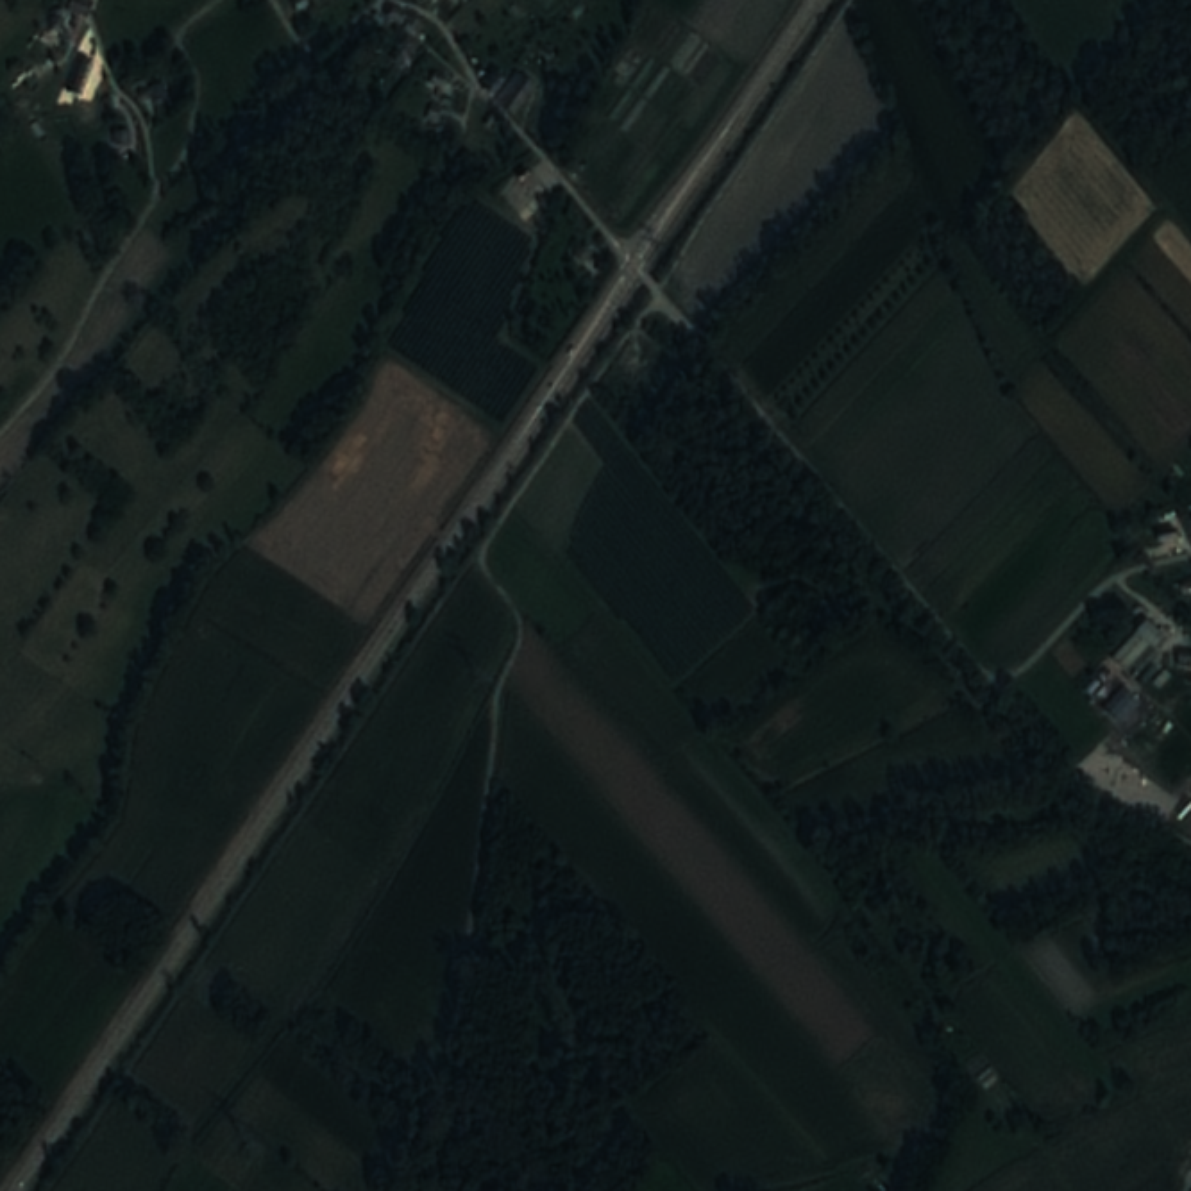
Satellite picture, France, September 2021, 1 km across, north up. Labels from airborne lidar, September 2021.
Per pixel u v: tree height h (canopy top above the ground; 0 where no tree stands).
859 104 0
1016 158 34
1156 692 0
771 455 24
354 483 0
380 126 18
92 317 0
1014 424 0
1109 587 0
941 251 6
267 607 0
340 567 0
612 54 19
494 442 0
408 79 6
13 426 0
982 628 0
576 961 27
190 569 13
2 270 0
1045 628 0
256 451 0
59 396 0
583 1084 10
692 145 0
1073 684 0
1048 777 20
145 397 13
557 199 7
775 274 21
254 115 13
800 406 7
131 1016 0
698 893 0
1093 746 0
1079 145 0
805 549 26
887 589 19
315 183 15
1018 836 14
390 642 0
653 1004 9
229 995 21
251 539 0
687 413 32
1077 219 0
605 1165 25
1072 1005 0
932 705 0
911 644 13
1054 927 19
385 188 0
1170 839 22
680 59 0
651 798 0
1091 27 0
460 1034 24
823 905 0
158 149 0
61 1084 0
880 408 0
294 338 23
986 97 11
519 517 0
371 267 0
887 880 8
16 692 0
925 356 0
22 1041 0
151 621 0
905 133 14
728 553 25
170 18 0
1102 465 0
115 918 26
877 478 0
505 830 15
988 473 0
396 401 0
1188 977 0
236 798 0
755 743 0
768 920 0
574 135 29
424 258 19
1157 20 24
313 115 21
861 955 10
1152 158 17
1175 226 0
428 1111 31
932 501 0
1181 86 20
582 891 10
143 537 0
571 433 0
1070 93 23
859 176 22
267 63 0
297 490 0
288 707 0
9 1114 26
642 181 0
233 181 28
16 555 0
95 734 0
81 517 0
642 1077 20
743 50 0
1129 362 0
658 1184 0
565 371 0
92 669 0
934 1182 18
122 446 0
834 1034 0
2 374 0
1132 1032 13
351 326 0
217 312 20
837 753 0
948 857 23
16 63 10
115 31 0
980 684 18
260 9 9
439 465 0
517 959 11
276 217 14
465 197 18
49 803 0
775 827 0
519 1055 24
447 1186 23
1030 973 0
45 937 0
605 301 0
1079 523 0
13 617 0
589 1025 26
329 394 10
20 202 0
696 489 20
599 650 0
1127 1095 15
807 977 0
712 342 22
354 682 0
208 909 0
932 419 0
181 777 0
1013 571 0
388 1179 17
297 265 16
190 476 0
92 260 16
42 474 0
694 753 0
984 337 8
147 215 0
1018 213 16
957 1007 11
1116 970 22
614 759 0
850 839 19
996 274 7
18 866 0
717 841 0
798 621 6
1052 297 26
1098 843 25
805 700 0
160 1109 16
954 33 10
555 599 0
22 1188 0
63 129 0
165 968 0
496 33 0
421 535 0
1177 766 0
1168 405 0
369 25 6
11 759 0
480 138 0
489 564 0
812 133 0
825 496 24
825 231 19
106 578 0
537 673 0
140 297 12
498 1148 34
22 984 0
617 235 0
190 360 15
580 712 0
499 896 17
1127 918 21
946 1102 20
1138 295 0
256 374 22
